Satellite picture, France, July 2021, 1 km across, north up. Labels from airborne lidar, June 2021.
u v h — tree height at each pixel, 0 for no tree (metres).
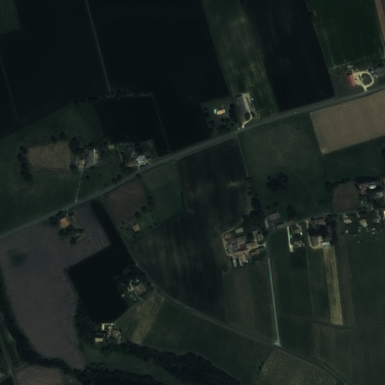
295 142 0
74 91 0
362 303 0
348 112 0
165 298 0
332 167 0
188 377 23
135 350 23
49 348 0
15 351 0
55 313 0
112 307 0
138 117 0
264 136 0
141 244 0
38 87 0
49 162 0
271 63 0
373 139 0
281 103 0
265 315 0
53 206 0
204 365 14
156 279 0
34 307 0
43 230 0
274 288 0
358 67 0
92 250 0
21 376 0
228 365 0
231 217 0
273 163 0
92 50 0
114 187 0
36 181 0
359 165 0
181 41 0
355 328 0
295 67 0
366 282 0
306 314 0
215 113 0
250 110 0
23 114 0
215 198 0
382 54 0
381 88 0
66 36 0
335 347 0
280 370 0
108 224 0
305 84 0
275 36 0
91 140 0
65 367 11
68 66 0
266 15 0
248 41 0
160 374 0
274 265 0
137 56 0
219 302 0
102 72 0
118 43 0
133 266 8
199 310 0
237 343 0
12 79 0
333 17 0
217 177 0
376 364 0
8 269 0
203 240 0
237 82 0
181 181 0
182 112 0
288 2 0
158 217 0
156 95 0
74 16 0
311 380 0
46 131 0
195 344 0
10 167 0
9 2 0
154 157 0
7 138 0
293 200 0
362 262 0
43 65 0
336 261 0
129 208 0
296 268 0
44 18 0
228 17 0
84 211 0
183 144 0
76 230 8
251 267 0
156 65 0
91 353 0
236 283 0
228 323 0
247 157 0
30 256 0
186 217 0
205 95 0
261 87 0
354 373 0
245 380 0
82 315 17
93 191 0
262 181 0
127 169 9
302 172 0
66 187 0
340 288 0
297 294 0
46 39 0
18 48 0
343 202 0
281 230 0
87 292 0
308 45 0
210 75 0
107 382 0
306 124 0
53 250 0
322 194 0
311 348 0
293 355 0
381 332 0
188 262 0
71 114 0
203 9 0
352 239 0
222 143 0
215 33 0
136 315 0
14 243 0
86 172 0
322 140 0
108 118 0
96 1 0
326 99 0
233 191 0
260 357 0
